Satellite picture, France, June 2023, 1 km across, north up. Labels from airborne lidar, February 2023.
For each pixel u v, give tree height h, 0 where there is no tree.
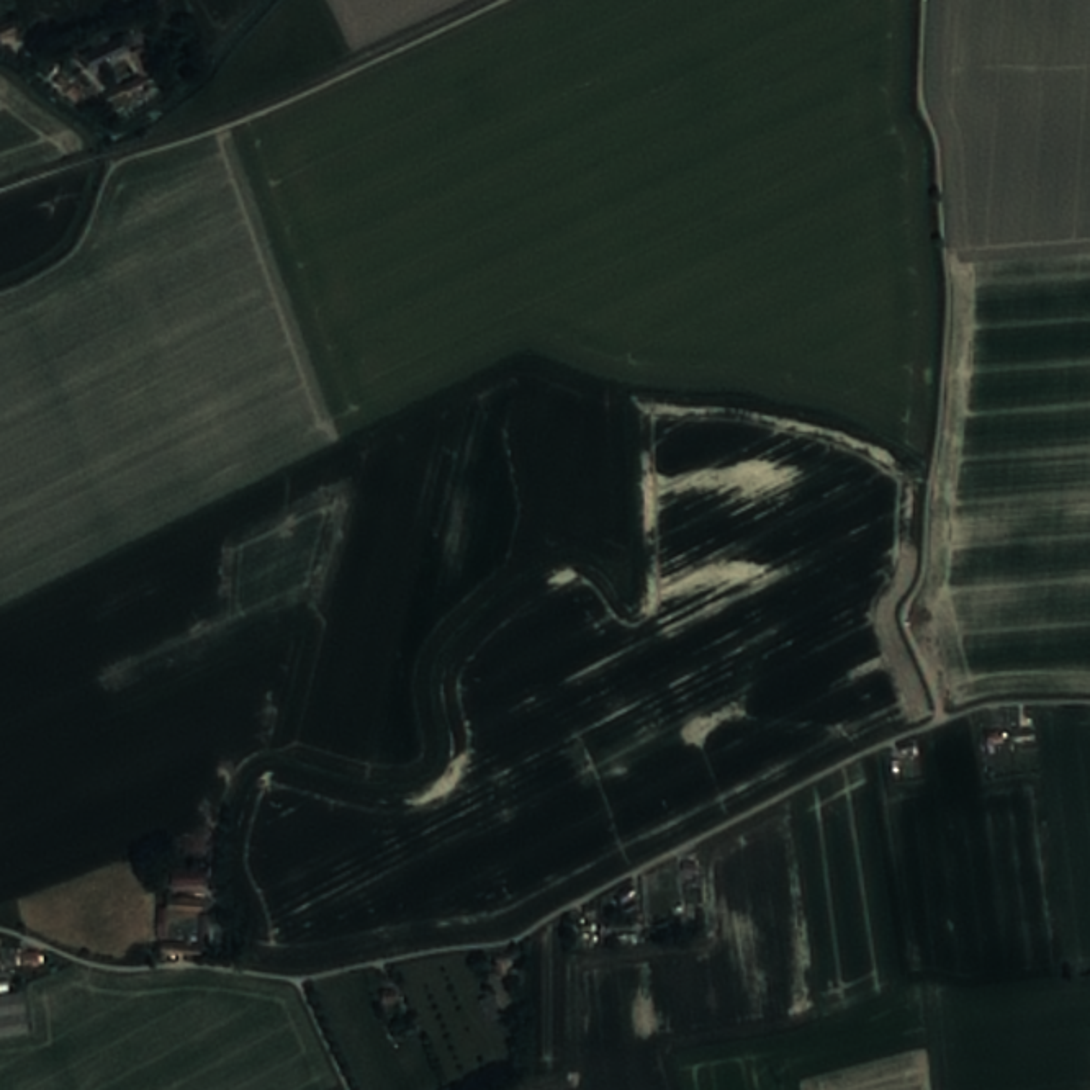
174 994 0
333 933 0
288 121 0
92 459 0
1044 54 0
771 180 0
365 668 0
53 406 0
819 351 0
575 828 0
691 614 0
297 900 0
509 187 0
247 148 0
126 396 0
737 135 0
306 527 0
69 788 0
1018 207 0
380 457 0
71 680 0
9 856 0
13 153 0
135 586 0
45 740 0
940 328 0
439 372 0
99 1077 0
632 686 0
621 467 0
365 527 0
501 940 0
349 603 0
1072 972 16
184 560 0
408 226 0
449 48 0
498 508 0
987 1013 0
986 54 0
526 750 0
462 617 0
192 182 0
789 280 0
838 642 0
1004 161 0
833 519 0
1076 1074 0
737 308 0
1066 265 0
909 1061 0
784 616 0
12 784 0
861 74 0
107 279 0
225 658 0
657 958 0
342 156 0
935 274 0
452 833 0
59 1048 0
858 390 0
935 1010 0
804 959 0
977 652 0
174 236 0
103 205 0
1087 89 0
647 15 0
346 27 0
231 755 0
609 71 0
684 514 0
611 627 0
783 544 0
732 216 0
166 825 0
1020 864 0
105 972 0
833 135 0
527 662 0
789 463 0
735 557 0
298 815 0
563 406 0
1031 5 0
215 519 0
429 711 0
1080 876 0
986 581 0
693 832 0
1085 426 0
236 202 0
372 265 0
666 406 0
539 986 0
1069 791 0
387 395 0
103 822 0
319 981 0
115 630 0
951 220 0
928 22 0
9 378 0
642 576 0
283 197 0
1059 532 0
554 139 0
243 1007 0
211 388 0
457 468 0
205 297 0
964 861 0
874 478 0
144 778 0
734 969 0
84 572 0
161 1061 0
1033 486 0
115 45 0
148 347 0
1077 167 0
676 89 0
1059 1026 0
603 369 0
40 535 0
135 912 0
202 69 25
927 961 0
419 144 0
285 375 0
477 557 0
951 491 0
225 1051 0
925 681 0
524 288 0
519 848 0
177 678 0
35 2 0
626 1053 0
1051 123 0
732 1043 0
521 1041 18
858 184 0
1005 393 0
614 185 0
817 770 0
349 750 0
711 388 0
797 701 0
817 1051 0
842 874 0
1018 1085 0
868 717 0
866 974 0
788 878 0
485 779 0
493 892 0
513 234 0
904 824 0
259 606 0
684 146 0
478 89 0
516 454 0
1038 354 0
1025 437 0
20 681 0
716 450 0
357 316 0
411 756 0
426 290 0
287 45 0
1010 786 0
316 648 0
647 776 0
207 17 0
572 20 0
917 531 0
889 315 0
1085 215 0
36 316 0
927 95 0
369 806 0
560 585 0
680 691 0
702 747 0
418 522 0
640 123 0
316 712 0
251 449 0
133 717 0
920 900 0
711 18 0
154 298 0
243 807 0
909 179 0
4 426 0
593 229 0
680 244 0
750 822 0
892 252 0
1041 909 0
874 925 0
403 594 0
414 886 0
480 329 0
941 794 0
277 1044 0
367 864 0
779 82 0
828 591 0
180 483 0
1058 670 0
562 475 0
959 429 0
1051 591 0
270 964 0
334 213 0
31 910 0
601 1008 0
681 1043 0
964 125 0
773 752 0
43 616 0
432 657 0
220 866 24
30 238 0
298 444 0
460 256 0
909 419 0
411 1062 0
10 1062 0
